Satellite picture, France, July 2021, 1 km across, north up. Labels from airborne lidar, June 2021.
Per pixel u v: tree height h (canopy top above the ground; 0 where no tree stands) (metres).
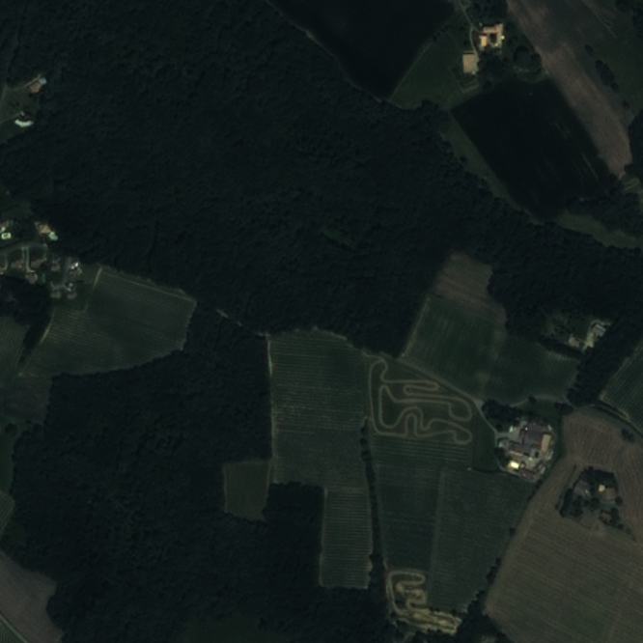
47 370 0
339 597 19
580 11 0
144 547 13
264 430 17
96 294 0
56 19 25
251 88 25
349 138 10
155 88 22
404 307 23
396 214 28
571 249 30
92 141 23
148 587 20
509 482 0
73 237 15
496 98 0
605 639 0
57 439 20
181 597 21
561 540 0
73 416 19
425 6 0
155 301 0
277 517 16
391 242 28
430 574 0
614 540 0
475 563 0
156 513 23
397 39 0
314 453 0
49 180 29
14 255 0
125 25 20
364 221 29
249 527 20
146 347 0
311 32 0
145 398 21
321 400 0
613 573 0
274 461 0
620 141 0
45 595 0
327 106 22
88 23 19
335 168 25
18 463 16
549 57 0
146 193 25
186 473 24
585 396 20
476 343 0
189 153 23
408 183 22
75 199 17
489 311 0
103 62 18
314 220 23
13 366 0
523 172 0
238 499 0
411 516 0
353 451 0
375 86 0
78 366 0
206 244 25
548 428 0
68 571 19
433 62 0
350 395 0
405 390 0
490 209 16
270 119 21
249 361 17
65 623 17
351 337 15
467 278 0
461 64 0
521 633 0
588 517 0
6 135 0
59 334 0
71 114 21
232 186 27
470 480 0
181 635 14
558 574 0
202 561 23
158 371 19
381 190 26
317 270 14
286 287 16
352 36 0
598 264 30
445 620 0
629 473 0
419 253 22
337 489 0
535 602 0
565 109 0
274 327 17
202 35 26
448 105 0
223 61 21
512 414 9
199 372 20
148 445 25
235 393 16
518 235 23
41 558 20
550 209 0
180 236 11
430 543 0
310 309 17
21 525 6
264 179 27
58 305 0
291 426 0
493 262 15
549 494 0
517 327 23
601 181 0
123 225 25
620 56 0
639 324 20
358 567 0
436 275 12
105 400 22
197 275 16
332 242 22
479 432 0
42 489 20
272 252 21
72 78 20
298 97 27
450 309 0
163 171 27
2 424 0
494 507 0
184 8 26
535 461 0
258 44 31
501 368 0
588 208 21
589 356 14
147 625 24
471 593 0
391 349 15
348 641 30
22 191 20
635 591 0
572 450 0
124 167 24
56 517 17
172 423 11
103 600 23
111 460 18
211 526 24
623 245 0
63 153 25
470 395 0
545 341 12
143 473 22
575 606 0
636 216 21
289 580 23
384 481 0
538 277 21
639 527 0
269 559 20
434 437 0
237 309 18
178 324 0
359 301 20
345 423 0
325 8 0
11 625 0
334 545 0
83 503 15
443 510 0
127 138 22
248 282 22
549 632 0
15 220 6
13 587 0
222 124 23
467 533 0
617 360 24
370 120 25
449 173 24
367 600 17
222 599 26
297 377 0
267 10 19
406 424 0
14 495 17
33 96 8
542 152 0
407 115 18
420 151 22
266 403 14
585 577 0
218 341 12
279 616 20
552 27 0
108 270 0
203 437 20
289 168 25
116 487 13
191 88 13
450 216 23
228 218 23
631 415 0
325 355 0
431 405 0
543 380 0
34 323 16
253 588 23
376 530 9
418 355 0
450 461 0
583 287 22
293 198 24
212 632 0
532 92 0
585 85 0
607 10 0
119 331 0
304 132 9
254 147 22
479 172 0
